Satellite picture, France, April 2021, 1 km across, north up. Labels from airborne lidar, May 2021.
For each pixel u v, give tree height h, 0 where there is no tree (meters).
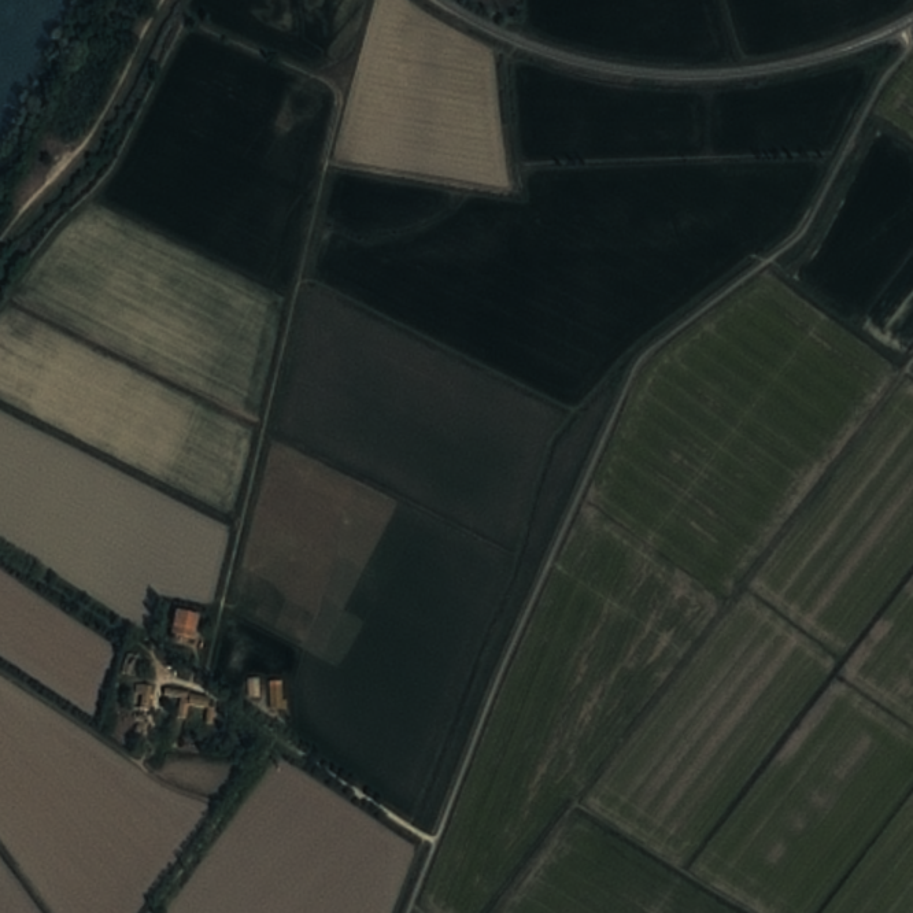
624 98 0
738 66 0
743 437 0
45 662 0
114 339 0
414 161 0
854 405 0
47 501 0
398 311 0
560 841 0
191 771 0
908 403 0
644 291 0
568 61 0
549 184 0
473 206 0
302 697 0
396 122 0
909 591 0
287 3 0
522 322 0
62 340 0
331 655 0
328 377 0
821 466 0
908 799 0
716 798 0
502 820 0
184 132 0
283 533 0
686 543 0
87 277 0
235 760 20
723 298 0
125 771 0
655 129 0
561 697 0
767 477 0
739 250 0
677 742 0
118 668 6
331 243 0
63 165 0
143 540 0
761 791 0
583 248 0
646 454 0
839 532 0
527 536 0
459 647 0
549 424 0
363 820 0
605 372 0
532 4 0
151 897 10
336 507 0
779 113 0
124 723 0
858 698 0
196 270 0
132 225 0
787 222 0
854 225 0
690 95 0
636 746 0
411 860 0
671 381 0
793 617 0
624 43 0
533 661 0
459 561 0
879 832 0
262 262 0
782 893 0
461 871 0
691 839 0
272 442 0
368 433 0
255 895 0
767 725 0
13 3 0
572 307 0
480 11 14
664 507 0
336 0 0
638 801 0
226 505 0
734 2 0
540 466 0
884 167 0
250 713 19
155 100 0
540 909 0
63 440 0
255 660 0
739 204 0
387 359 0
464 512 0
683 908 0
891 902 0
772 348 0
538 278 0
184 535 0
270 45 0
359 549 0
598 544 0
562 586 0
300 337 0
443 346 0
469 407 0
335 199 0
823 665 0
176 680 0
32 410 0
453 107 0
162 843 0
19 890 0
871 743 0
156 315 0
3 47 0
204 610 10
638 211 0
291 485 0
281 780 0
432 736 0
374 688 0
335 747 0
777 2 0
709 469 0
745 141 0
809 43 0
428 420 0
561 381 0
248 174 0
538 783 0
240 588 0
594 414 0
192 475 0
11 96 0
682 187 0
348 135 0
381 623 0
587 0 0
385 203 0
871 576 0
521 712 0
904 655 0
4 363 0
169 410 0
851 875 0
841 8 0
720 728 0
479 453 0
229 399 0
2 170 8
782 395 0
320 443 0
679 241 0
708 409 0
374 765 0
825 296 0
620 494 0
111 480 0
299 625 0
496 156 0
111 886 0
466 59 0
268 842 0
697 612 0
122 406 0
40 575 23
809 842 0
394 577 0
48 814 0
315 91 0
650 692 0
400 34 0
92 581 0
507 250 0
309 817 0
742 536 0
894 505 0
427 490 0
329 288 0
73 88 16
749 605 0
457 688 0
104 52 19
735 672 0
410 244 0
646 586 0
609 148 0
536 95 0
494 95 0
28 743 0
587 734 0
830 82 0
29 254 6
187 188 0
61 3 0
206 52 0
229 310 0
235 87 0
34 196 0
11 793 0
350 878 0
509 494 0
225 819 17
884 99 0
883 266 0
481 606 0
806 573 0
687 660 0
